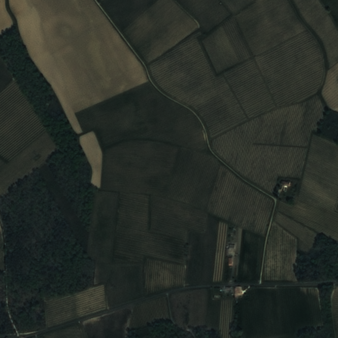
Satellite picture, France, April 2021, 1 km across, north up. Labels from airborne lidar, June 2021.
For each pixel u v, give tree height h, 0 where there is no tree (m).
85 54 0
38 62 0
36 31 0
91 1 0
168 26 0
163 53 0
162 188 0
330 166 0
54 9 0
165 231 0
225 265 0
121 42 0
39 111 19
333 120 11
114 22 0
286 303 0
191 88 0
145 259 0
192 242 0
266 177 0
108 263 0
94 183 0
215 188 0
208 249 0
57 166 22
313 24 0
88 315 0
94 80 0
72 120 0
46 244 17
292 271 0
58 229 15
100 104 0
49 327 0
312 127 0
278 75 0
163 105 0
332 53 0
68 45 0
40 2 0
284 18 0
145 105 0
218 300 0
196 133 0
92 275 12
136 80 0
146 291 0
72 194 21
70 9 0
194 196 0
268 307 0
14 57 20
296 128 0
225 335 0
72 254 21
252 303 0
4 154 0
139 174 0
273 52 0
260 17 0
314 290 0
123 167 0
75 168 24
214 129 0
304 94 0
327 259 22
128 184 0
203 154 0
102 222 0
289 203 15
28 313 17
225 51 0
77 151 28
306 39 0
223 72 0
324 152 0
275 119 0
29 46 0
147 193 0
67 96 0
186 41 0
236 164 0
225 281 0
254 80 0
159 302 0
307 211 0
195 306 0
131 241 0
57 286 18
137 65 0
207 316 0
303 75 0
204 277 0
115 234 0
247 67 0
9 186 0
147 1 0
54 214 18
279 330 0
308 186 0
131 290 0
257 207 0
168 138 0
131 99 0
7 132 0
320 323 0
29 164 0
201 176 0
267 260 0
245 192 0
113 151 0
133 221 0
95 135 0
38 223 15
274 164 0
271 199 0
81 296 0
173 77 0
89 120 0
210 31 0
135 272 0
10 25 0
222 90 0
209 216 0
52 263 24
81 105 0
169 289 0
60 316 0
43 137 0
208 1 0
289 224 0
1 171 0
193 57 0
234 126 0
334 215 0
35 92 22
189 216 0
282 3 0
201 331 19
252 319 0
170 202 0
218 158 0
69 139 25
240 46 0
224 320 0
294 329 0
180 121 0
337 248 19
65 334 0
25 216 18
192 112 0
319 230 0
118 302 0
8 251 12
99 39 0
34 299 15
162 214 0
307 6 0
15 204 17
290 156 0
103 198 0
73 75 0
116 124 0
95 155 0
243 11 0
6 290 15
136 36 0
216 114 0
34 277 22
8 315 22
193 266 0
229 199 0
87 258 16
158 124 0
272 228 0
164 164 0
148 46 0
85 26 0
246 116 0
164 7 0
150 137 0
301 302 0
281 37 0
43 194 17
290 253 0
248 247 0
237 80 0
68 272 22
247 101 0
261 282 0
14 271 21
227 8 0
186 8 0
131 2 0
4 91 0
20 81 19
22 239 22
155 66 0
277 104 0
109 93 0
